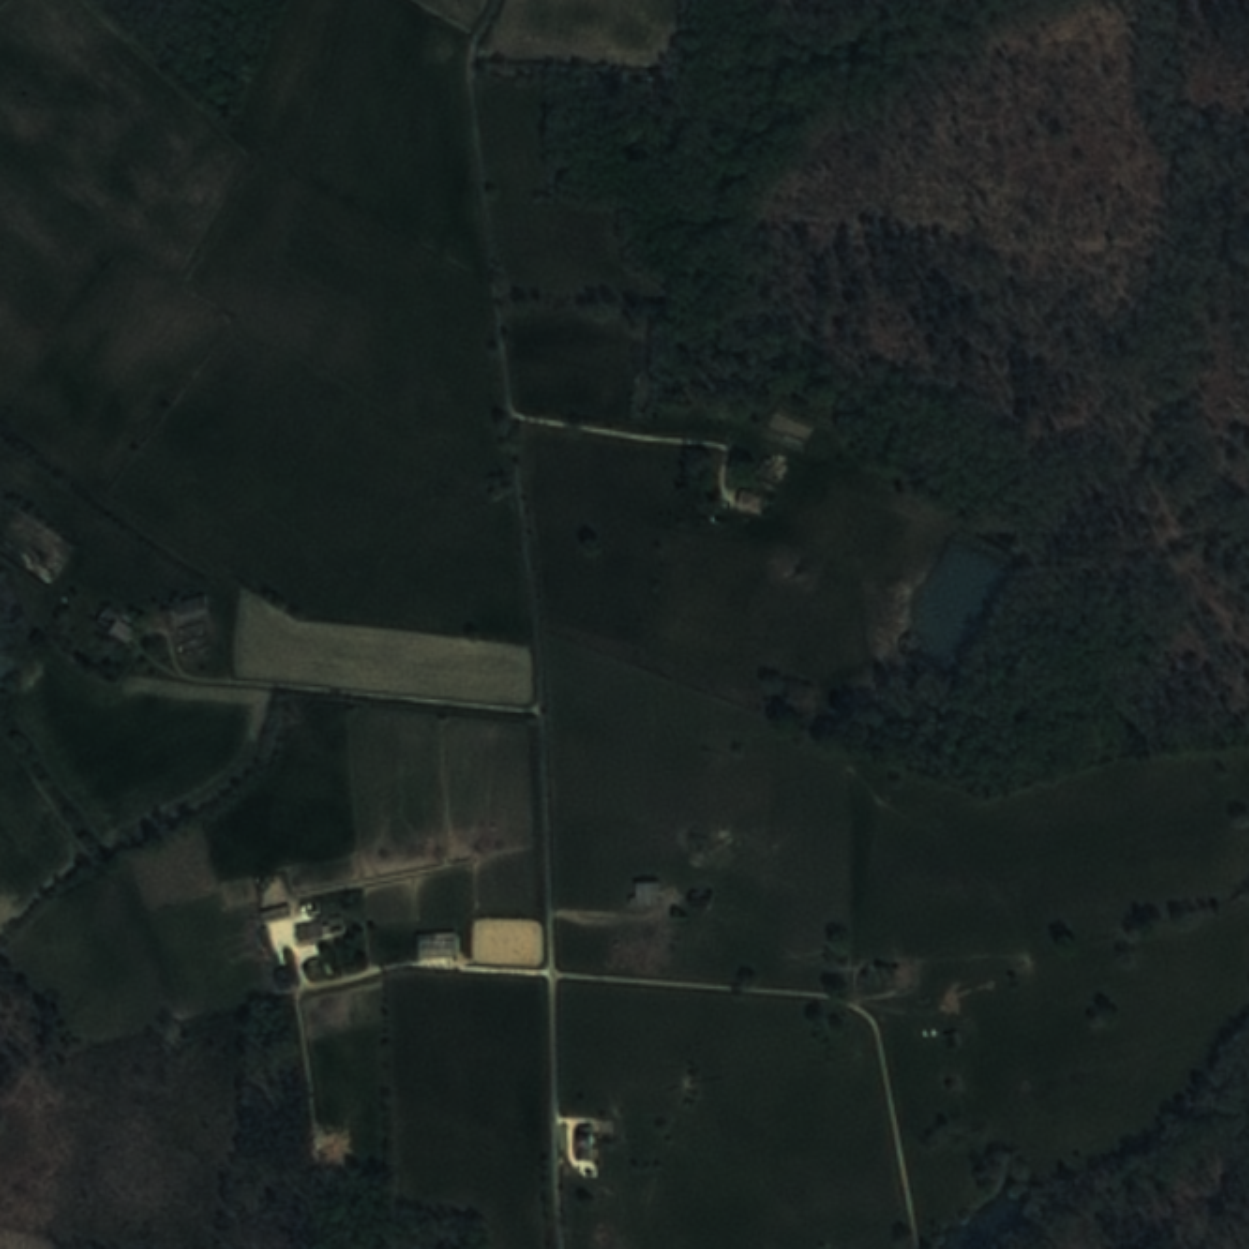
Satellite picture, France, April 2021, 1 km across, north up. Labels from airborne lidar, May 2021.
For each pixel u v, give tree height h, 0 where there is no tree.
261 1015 10
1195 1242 17
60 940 0
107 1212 0
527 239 0
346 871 0
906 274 23
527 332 0
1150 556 11
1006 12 13
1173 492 17
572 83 15
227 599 0
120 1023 0
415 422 0
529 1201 0
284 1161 22
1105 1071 0
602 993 0
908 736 22
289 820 0
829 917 0
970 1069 0
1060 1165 0
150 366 0
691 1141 0
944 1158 0
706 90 21
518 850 0
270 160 0
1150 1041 0
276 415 0
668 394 15
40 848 0
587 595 0
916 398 21
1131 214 10
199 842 0
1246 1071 21
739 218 17
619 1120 0
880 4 17
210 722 0
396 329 0
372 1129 0
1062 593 21
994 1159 11
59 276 0
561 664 0
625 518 0
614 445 0
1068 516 19
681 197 21
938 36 25
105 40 0
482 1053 0
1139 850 0
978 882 0
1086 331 14
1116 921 0
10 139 0
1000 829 0
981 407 15
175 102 0
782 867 0
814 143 13
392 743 0
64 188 0
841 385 17
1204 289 18
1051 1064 0
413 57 0
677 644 0
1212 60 7
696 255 23
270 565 0
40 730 0
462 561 0
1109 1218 15
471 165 0
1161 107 22
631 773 0
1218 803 0
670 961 0
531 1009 0
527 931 0
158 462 0
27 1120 0
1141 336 23
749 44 18
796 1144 0
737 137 23
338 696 7
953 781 16
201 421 0
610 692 0
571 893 0
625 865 0
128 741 0
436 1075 0
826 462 0
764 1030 0
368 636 0
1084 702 26
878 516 0
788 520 0
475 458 0
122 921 0
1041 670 25
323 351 0
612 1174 0
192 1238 0
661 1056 0
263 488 0
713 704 0
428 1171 0
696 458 12
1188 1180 15
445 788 0
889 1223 0
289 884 0
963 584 0
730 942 0
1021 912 0
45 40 0
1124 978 0
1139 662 23
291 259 0
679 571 0
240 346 0
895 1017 0
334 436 0
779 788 0
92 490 0
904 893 0
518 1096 0
